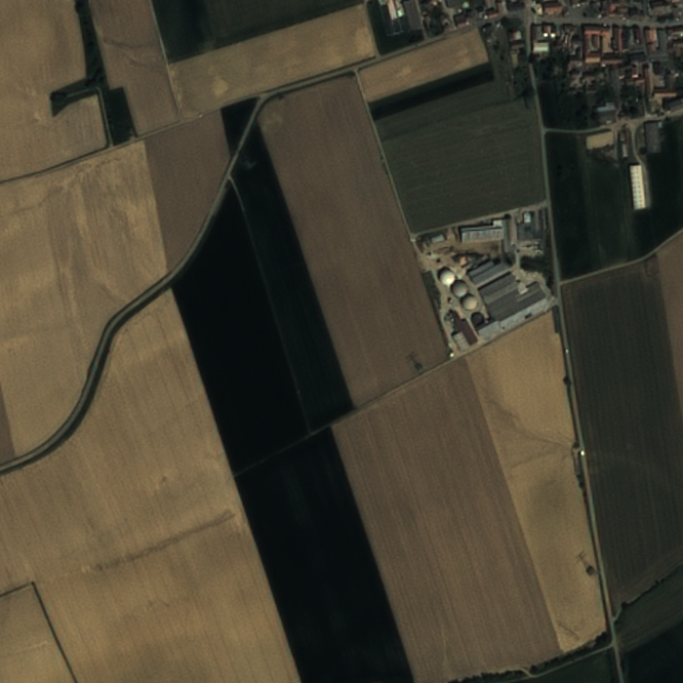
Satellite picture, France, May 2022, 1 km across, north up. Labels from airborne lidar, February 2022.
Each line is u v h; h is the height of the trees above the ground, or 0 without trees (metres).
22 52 0
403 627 0
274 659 0
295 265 0
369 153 0
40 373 0
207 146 0
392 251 0
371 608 0
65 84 0
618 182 0
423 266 0
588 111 12
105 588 0
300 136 0
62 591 0
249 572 0
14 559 0
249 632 0
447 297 0
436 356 0
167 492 0
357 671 0
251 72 0
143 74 0
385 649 0
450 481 0
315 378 0
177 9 0
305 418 0
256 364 0
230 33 0
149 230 0
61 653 0
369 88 0
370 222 0
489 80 0
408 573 0
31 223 0
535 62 11
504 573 0
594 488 0
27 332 0
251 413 0
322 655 0
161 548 0
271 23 0
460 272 0
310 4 0
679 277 0
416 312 0
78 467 0
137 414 0
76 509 0
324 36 0
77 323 0
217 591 0
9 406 0
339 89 0
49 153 0
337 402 0
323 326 0
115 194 0
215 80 0
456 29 0
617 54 0
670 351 0
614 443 0
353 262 0
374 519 0
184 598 0
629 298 0
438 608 0
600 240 0
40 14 0
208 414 0
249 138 0
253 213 0
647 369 0
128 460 0
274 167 0
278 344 0
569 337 0
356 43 0
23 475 0
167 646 0
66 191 0
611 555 0
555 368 0
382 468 0
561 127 0
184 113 0
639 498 0
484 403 0
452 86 0
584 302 0
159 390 0
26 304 0
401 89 0
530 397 0
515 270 0
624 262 0
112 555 0
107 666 0
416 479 0
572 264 0
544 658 0
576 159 0
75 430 0
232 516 0
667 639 0
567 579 0
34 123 0
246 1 0
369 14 0
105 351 0
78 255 0
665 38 0
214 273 0
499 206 0
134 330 0
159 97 0
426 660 0
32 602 0
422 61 0
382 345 0
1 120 0
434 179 0
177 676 0
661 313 0
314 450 0
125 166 0
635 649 0
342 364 0
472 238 0
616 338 0
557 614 0
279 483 0
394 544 0
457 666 0
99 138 0
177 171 0
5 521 0
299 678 0
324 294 0
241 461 0
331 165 0
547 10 0
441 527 0
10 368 0
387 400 0
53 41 0
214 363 0
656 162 0
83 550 0
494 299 0
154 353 0
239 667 0
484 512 0
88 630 0
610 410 0
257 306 0
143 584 0
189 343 0
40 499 0
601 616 0
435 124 0
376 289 0
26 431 0
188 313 0
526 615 0
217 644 0
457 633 0
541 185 0
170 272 0
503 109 0
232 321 0
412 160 0
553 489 0
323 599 0
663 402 0
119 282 0
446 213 0
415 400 0
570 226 0
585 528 0
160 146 0
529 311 0
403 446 0
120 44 0
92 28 0
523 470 0
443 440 0
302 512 0
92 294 0
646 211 0
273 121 0
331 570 0
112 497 0
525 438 0
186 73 0
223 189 0
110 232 0
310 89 0
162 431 0
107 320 0
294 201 0
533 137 0
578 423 0
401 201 0
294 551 0
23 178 0
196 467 0
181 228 0
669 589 0
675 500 0
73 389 0
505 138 0
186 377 0
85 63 0
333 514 0
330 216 0
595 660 0
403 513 0
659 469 0
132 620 0
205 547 0
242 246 0
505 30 0
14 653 0
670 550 0
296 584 0
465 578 0
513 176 0
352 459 0
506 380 0
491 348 0
